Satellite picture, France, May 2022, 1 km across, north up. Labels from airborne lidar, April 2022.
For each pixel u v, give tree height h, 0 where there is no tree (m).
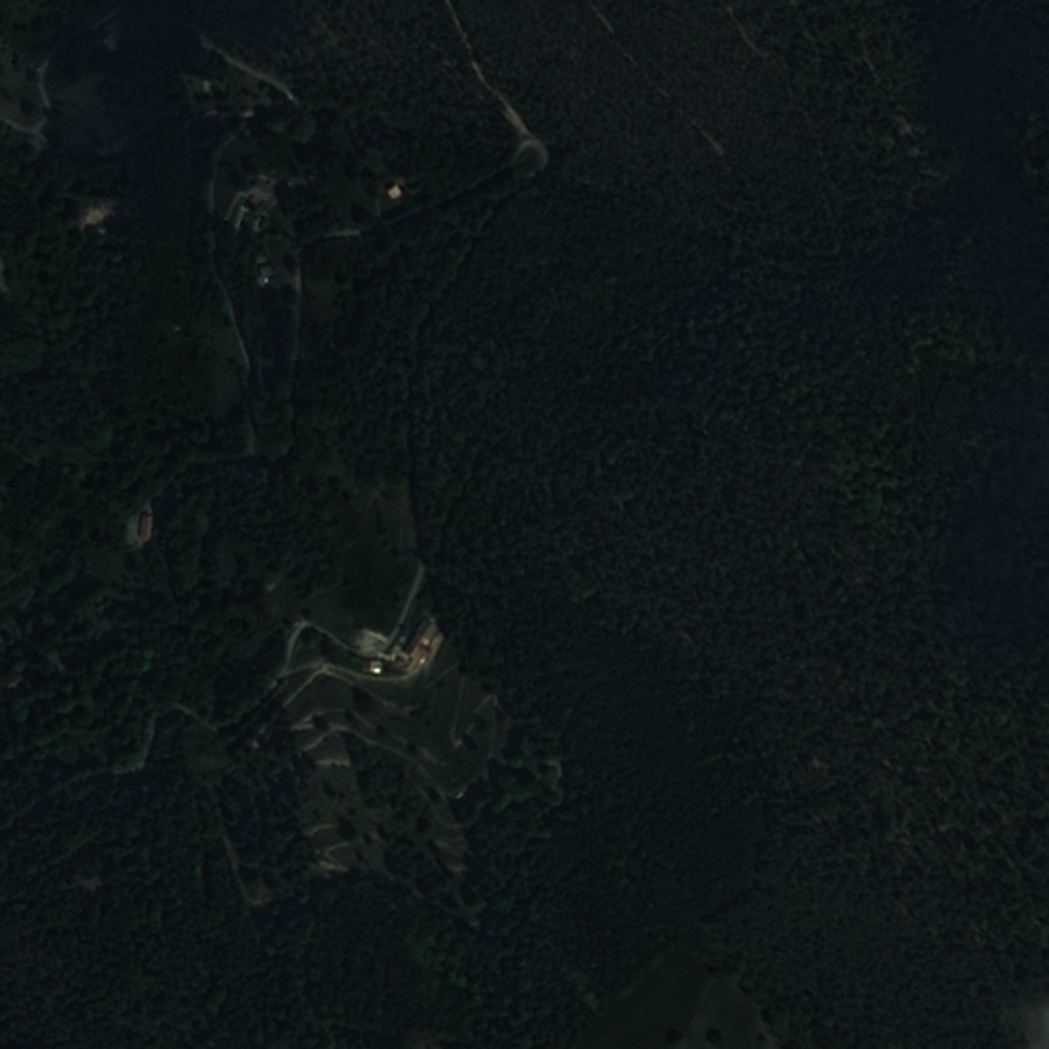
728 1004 0
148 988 9
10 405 27
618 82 22
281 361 25
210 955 24
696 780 15
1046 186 25
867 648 29
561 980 20
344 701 0
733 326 30
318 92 19
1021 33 18
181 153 12
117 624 16
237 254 17
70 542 7
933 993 26
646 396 31
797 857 22
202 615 25
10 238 10
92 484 18
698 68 21
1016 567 32
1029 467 10
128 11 17
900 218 23
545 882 17
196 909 30
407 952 21
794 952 25
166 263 12
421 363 31
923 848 36
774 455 33
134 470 16
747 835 14
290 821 24
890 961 27
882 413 7
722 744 12
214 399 0
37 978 21
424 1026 19
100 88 7
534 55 24
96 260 20
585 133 24
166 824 26
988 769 31
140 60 17
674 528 23
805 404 27
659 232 16
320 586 23
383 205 0
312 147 0
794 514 34
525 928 20
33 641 25
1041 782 32
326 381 17
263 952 8
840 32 22
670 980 0
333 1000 23
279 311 22
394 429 29
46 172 20
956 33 25
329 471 19
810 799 14
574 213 22
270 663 17
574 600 11
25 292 19
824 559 31
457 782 0
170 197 21
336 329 7
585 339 12
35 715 16
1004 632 23
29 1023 22
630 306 12
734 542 28
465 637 17
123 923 13
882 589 31
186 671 10
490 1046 22
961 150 9
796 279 28
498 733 0
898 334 24
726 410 26
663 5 23
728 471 30
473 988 23
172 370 0
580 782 15
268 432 21
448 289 14
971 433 28
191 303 10
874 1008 28
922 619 30
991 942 29
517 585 18
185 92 15
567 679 18
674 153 22
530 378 11
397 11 26
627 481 25
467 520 14
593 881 23
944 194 8
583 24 24
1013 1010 25
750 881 9
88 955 22
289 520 25
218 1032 22
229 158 0
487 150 18
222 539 12
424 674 0
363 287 19
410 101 12
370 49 30
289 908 15
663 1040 0
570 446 12
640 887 25
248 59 22
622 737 16
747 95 20
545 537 25
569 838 21
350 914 21
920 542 29
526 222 16
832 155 18
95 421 27
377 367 28
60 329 19
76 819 24
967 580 31
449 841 0
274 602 0
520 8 20
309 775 11
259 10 23
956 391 12
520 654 27
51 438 31
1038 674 33
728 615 26
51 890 16
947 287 24
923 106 7
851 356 29
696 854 14
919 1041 28
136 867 27
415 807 23
